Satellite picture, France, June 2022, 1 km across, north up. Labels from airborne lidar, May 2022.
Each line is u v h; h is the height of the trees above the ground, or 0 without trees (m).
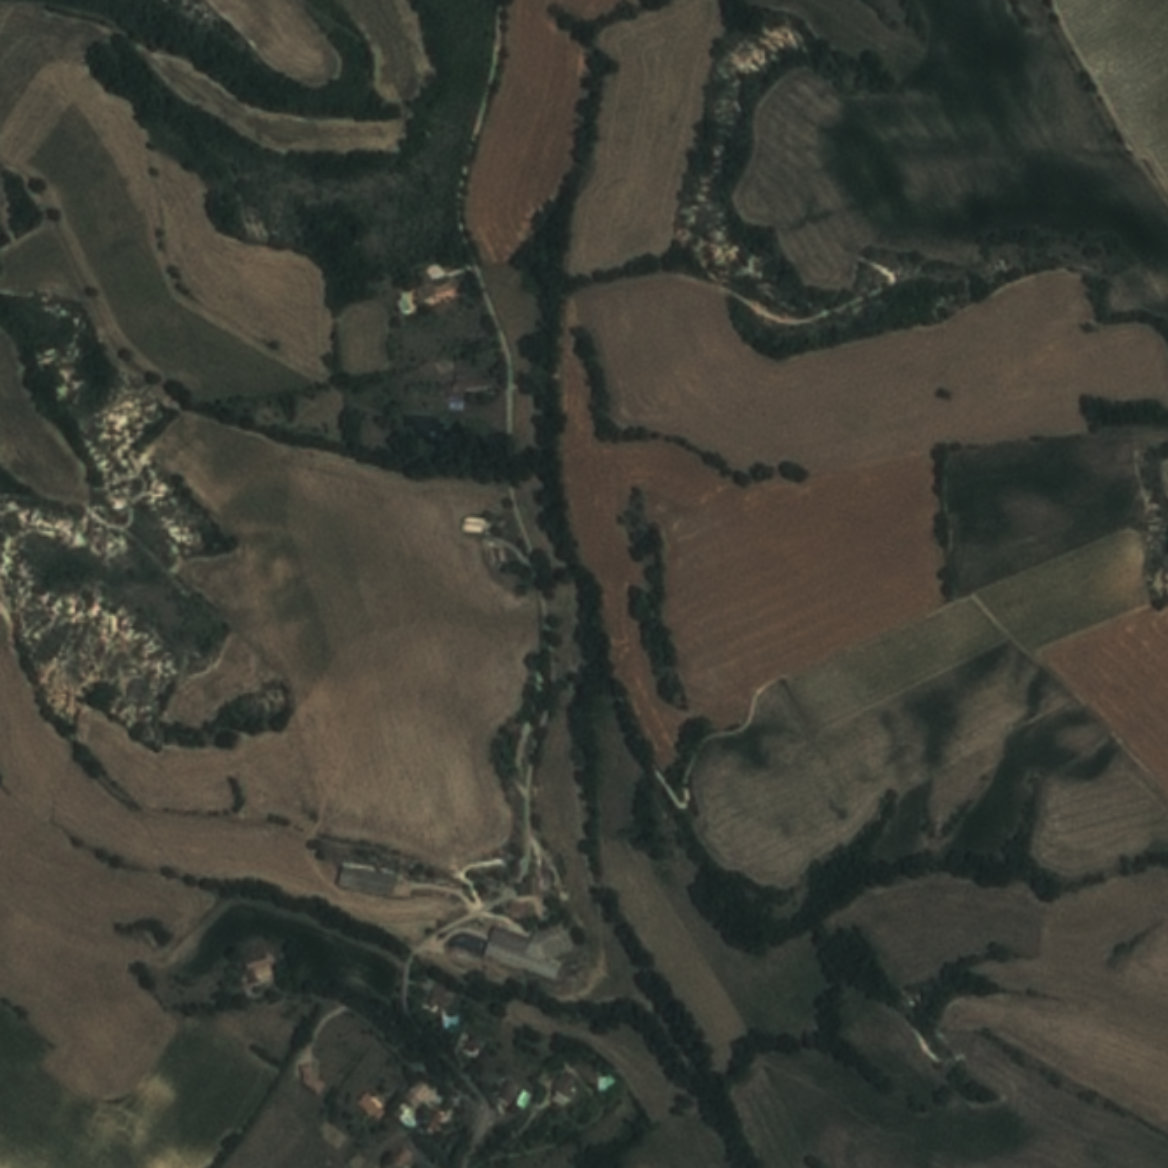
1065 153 0
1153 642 0
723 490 0
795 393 0
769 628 0
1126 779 0
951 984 7
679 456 0
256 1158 0
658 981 25
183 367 0
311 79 0
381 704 0
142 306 0
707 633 0
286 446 8
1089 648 0
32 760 0
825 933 13
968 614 0
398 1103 11
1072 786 0
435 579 0
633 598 11
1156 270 0
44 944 0
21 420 0
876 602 0
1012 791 0
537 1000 25
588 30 15
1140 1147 0
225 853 0
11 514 0
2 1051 0
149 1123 0
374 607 0
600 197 0
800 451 0
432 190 8
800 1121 0
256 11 0
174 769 0
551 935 0
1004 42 0
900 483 0
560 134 0
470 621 0
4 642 0
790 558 0
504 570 7
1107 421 12
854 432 0
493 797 0
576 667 0
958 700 0
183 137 8
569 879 0
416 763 0
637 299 0
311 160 9
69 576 7
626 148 0
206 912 0
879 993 12
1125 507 0
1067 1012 0
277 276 0
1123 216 0
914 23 10
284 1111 0
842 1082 0
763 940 22
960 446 7
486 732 0
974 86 0
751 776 0
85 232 0
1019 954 6
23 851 0
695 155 9
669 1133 0
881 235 0
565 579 23
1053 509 0
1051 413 0
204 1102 0
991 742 0
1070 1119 0
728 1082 19
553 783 0
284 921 0
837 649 0
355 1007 11
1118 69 0
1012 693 0
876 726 0
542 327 15
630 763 0
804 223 0
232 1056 0
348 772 0
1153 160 0
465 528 0
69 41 0
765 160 0
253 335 0
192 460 0
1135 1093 0
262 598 0
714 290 0
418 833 0
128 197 0
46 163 0
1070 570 0
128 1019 0
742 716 0
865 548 0
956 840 0
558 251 19
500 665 0
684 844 12
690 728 15
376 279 12
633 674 0
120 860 13
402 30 0
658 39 0
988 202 0
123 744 0
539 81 0
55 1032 0
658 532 9
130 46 9
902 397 0
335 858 0
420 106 8
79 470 0
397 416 13
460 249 17
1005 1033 0
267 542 0
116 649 0
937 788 0
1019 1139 0
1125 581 0
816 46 8
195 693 0
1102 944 0
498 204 0
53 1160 0
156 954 0
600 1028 19
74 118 0
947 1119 0
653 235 0
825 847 0
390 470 15
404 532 0
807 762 0
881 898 0
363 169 10
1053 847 0
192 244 0
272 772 0
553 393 16
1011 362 0
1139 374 0
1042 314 0
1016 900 0
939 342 0
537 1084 7
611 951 0
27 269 0
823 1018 15
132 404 0
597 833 14
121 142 0
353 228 11
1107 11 0
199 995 0
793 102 0
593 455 0
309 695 0
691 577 0
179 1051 0
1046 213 0
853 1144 0
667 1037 27
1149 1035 0
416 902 0
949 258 0
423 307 7
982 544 0
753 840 0
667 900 0
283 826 10
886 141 0
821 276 0
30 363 12
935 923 0
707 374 0
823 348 8
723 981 0
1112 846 0
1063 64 0
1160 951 0
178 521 0
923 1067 0
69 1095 0
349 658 0
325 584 0
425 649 0
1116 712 0
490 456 32
